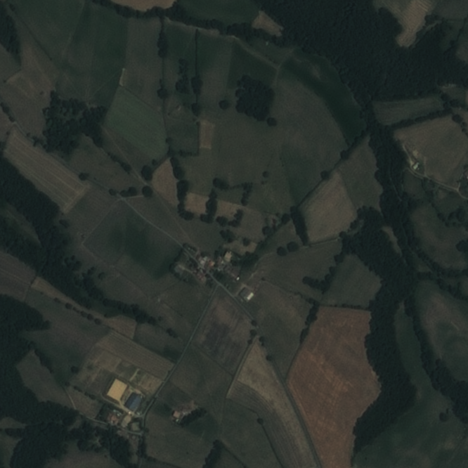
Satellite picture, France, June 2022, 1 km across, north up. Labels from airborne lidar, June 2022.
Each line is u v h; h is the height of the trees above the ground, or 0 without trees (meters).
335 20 19
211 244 0
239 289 0
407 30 0
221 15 0
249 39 14
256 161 0
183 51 0
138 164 0
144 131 0
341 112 0
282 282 0
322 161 0
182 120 0
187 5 0
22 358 8
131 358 0
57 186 0
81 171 0
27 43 0
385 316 17
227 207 0
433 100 0
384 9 14
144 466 0
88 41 0
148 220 0
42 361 14
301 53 0
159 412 0
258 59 0
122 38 0
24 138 0
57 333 0
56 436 25
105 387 0
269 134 0
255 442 0
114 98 0
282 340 0
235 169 0
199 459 0
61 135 22
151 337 0
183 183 19
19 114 0
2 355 16
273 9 20
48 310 0
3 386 18
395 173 9
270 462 0
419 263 0
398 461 0
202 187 0
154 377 0
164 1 0
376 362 19
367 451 0
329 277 15
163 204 0
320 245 0
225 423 0
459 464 0
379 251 21
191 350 0
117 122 0
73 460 0
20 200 21
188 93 25
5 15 21
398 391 22
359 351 0
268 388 0
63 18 0
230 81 0
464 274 16
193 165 0
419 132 0
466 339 0
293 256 0
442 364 13
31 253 15
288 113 0
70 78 0
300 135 0
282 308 0
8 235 13
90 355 0
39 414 17
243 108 17
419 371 0
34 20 0
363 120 18
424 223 0
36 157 0
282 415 0
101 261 0
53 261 23
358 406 0
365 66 15
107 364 0
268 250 0
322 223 0
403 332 0
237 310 0
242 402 0
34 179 0
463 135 0
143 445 10
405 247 14
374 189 0
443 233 0
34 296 0
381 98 13
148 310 0
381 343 20
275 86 0
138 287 0
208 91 0
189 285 0
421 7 0
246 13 0
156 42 0
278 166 0
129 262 0
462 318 0
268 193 0
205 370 0
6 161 15
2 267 0
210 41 0
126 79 0
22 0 0
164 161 0
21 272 0
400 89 15
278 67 0
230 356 0
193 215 15
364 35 19
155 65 0
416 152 0
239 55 0
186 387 0
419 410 0
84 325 0
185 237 0
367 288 0
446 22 9
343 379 0
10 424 0
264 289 0
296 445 0
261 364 0
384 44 18
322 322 0
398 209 14
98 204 0
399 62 16
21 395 18
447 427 0
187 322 0
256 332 10
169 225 0
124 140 0
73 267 18
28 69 0
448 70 21
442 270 11
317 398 0
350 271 0
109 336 0
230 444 0
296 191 0
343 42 22
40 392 0
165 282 0
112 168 0
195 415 11
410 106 0
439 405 0
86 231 0
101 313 0
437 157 0
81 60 0
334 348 0
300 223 19
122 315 0
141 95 0
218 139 0
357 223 14
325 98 0
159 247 0
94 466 0
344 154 18
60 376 0
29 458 16
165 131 0
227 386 0
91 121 24
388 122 0
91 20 0
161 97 12
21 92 0
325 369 0
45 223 22
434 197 9
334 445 0
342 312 0
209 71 0
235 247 0
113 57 0
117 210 0
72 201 0
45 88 0
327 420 0
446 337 0
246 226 0
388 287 19
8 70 0
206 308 0
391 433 0
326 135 0
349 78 25
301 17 19
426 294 0
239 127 0
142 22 0
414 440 0
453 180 0
